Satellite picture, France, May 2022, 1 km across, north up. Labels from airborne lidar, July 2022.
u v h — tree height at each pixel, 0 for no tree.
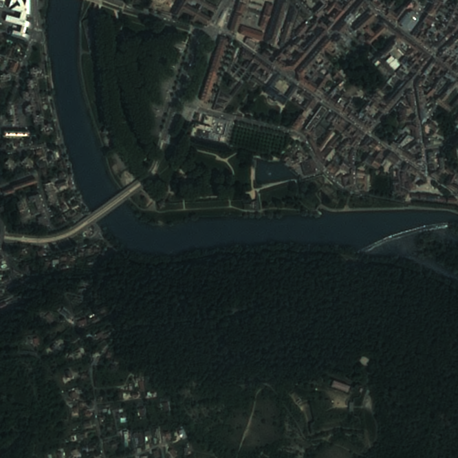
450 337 17
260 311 25
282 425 6
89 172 0
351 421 10
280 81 0
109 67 40
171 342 18
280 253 22
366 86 30
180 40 29
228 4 0
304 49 0
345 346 24
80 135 0
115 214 0
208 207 0
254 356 24
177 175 12
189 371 12
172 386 12
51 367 9
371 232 0
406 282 21
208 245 0
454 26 0
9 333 23
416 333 14
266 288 23
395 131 20
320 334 22
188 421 8
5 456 17
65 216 9
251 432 0
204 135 0
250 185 10
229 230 0
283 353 25
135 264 28
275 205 17
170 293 22
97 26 39
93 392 5
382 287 22
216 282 21
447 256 22
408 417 19
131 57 45
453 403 20
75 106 0
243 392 9
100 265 20
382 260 18
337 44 0
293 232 0
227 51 10
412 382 18
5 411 11
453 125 6
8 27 0
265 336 24
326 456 0
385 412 15
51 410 15
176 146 33
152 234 0
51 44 0
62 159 6
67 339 10
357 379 18
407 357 20
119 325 11
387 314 16
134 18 0
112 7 0
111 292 21
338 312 18
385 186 0
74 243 31
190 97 24
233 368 28
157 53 37
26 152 14
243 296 26
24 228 20
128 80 44
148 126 39
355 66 7
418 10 0
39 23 0
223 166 0
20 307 11
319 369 21
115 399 14
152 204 0
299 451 6
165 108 0
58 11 0
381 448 6
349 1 0
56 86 0
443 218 0
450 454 15
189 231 0
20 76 9
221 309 19
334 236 0
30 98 0
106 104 38
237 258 19
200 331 24
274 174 0
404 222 0
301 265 24
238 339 24
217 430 10
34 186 14
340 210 0
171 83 0
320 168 0
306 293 27
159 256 21
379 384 19
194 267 20
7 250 18
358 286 20
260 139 10
